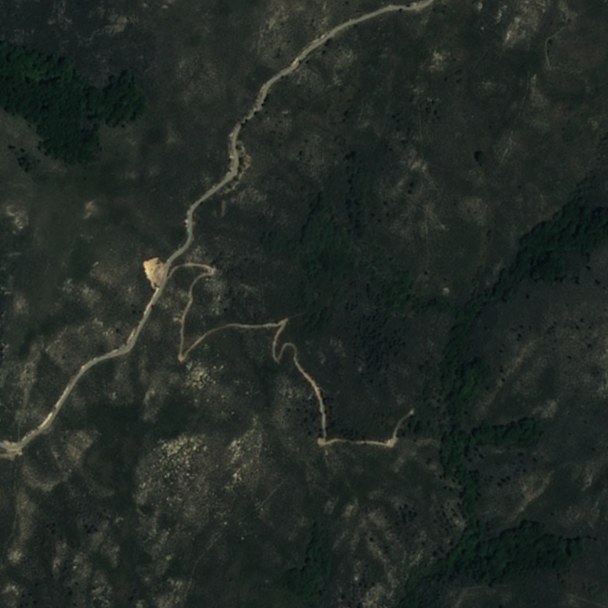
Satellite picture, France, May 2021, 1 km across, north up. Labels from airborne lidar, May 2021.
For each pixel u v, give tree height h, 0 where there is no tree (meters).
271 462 0
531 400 0
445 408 7
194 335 0
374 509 12
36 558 0
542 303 0
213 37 0
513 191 0
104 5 0
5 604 0
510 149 0
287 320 0
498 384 0
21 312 0
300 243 15
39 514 0
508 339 0
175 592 0
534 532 19
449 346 13
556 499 0
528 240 21
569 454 0
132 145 0
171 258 0
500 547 26
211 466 0
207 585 0
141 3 0
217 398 0
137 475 0
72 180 0
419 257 0
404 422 6
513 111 0
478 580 10
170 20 0
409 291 18
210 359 0
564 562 17
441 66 0
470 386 19
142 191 0
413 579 7
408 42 0
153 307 8
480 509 0
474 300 12
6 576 0
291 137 0
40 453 0
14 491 0
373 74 0
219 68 0
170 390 0
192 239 0
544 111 0
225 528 0
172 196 0
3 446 0
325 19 0
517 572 10
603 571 0
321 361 0
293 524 0
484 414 0
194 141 0
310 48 0
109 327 0
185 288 0
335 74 0
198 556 0
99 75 0
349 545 0
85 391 0
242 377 0
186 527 0
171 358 0
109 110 15
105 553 0
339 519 0
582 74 0
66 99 19
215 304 0
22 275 0
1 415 0
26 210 0
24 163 12
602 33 0
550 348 0
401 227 0
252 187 0
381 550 0
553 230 19
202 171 0
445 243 0
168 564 0
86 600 0
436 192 0
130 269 0
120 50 0
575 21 0
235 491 0
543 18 0
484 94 0
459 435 12
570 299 0
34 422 0
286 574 7
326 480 0
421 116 0
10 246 0
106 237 0
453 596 0
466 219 0
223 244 0
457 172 0
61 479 0
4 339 0
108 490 0
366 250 22
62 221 0
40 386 0
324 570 20
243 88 0
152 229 0
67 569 11
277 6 0
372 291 20
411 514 12
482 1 0
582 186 16
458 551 16
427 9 0
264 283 0
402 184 0
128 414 0
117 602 0
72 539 0
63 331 0
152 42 0
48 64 23
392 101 0
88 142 17
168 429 0
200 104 0
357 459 0
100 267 0
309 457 0
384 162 0
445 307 16
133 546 0
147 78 0
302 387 0
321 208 14
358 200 23
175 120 0
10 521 0
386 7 0
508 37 0
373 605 0
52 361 0
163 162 0
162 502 0
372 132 0
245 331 0
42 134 6
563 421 0
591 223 18
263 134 0
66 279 0
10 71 25
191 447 0
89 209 0
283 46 0
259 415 0
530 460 0
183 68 0
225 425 0
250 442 0
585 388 0
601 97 0
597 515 0
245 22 0
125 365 0
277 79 0
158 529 0
